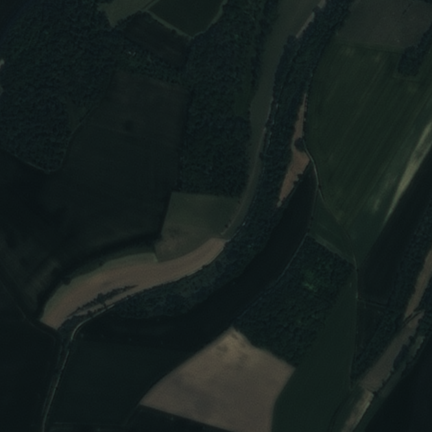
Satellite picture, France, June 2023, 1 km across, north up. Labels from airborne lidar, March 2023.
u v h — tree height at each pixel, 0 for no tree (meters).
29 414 0
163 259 0
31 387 0
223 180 17
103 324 0
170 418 0
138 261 0
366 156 0
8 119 19
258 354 0
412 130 0
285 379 0
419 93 0
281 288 19
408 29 0
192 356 0
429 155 0
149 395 0
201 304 0
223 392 0
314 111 0
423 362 0
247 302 0
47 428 0
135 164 0
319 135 0
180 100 0
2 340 0
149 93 0
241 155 22
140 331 0
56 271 0
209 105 23
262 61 14
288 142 17
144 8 0
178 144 0
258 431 0
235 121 23
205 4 0
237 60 26
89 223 0
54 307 0
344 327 0
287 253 0
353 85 0
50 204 0
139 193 0
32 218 0
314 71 10
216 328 0
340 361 0
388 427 0
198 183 11
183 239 0
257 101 0
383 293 0
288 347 20
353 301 0
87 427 0
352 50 0
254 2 14
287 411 0
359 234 0
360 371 15
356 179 0
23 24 19
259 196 9
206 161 12
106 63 9
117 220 0
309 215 0
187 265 0
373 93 0
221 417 0
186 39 12
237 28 27
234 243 14
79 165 0
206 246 0
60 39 26
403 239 0
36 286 0
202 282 8
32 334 0
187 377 0
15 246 0
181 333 0
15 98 11
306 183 0
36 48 12
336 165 0
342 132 0
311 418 0
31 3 20
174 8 0
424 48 10
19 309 0
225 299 0
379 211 0
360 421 0
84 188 0
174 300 17
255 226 9
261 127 0
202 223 0
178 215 0
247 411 0
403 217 0
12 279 0
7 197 0
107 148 0
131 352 0
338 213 0
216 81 25
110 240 0
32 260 0
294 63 15
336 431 0
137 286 0
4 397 0
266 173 8
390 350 0
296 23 0
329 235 0
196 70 19
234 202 0
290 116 19
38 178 0
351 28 0
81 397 0
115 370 0
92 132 0
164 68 15
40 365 0
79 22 16
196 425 0
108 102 0
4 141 17
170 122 0
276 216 14
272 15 28
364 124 0
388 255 0
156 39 0
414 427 0
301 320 17
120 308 18
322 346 0
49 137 10
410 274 15
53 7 25
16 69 18
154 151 0
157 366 0
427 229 15
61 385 0
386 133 0
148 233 0
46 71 19
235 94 7
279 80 20
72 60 19
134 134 0
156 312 12
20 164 0
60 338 0
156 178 0
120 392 0
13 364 0
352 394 0
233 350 0
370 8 0
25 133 20
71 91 17
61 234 0
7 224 0
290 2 0
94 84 16
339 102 0
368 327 0
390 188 0
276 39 0
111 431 0
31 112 11
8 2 0
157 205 0
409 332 0
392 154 0
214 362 0
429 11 0
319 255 12
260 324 18
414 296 0
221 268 13
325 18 20
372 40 0
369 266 0
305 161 0
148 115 0
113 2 0
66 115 13
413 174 0
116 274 0
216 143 9
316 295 17
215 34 20
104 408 0
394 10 0
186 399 0
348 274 9
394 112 0
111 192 0
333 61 0
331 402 0
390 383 0
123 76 0
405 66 15
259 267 0
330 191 0
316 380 0
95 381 0
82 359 0
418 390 0
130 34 0
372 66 0
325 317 17
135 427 0
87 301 0
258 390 0
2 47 18
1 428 0
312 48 11
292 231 0
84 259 0
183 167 10
